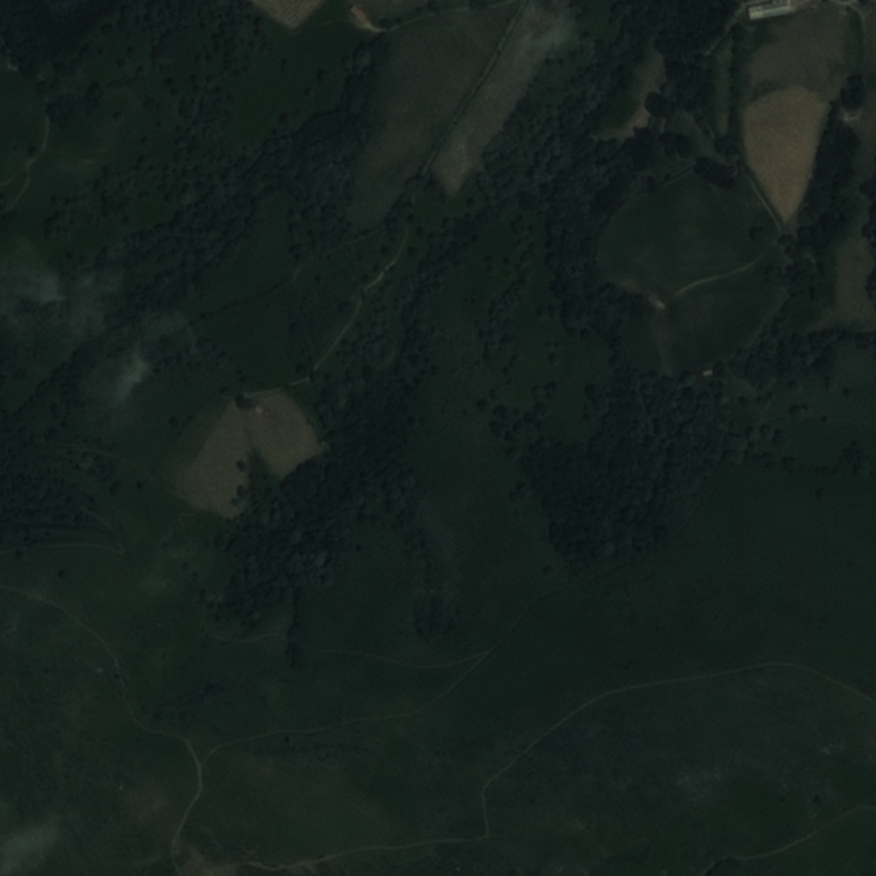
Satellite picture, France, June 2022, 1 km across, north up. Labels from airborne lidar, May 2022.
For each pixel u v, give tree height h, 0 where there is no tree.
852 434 0
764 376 17
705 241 0
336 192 9
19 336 9
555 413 0
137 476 0
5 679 0
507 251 0
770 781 0
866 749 0
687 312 0
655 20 13
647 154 25
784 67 0
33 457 10
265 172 14
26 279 9
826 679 0
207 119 8
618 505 15
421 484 6
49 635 0
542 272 0
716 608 0
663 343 0
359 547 8
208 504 0
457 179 0
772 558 0
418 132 0
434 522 0
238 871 0
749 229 0
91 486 0
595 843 0
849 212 12
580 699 0
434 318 0
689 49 8
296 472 9
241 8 13
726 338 0
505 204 12
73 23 27
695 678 0
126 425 0
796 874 0
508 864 0
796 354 13
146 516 0
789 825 0
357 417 10
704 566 0
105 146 0
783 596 0
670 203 0
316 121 13
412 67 0
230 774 0
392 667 0
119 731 0
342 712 0
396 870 0
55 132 0
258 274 0
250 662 0
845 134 18
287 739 8
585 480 15
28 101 0
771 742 0
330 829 0
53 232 16
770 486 0
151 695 0
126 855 0
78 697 0
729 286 0
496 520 0
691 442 13
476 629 0
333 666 0
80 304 17
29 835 0
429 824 0
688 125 0
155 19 14
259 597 12
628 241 0
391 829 0
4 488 8
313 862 0
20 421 13
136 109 0
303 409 0
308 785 0
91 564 0
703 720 0
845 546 0
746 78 0
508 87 0
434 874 0
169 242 27
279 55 0
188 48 0
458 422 0
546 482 11
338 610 0
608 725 0
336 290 0
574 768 0
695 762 0
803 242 10
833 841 0
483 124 0
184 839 0
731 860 8
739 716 0
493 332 14
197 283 15
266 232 0
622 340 12
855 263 0
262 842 0
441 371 9
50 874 0
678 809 0
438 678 0
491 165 15
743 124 0
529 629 0
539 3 15
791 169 0
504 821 0
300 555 18
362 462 13
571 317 18
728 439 14
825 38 0
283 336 0
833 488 0
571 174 17
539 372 0
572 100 14
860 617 0
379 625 0
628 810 0
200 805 0
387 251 12
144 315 15
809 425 0
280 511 14
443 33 0
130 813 0
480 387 0
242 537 12
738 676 0
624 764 0
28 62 23
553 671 0
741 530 0
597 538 9
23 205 0
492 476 0
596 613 0
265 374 0
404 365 7
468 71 0
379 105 0
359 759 0
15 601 0
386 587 0
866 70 0
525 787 0
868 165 0
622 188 16
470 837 0
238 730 0
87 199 7
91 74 0
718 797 0
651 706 0
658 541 11
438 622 8
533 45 0
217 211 16
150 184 9
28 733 0
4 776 0
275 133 10
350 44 0
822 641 0
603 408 7
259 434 0
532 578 0
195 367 11
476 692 0
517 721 0
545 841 0
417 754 0
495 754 0
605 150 16
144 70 13
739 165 7
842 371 0
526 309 0
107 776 0
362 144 12
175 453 0
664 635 0
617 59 18
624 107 0
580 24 10
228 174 12
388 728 0
